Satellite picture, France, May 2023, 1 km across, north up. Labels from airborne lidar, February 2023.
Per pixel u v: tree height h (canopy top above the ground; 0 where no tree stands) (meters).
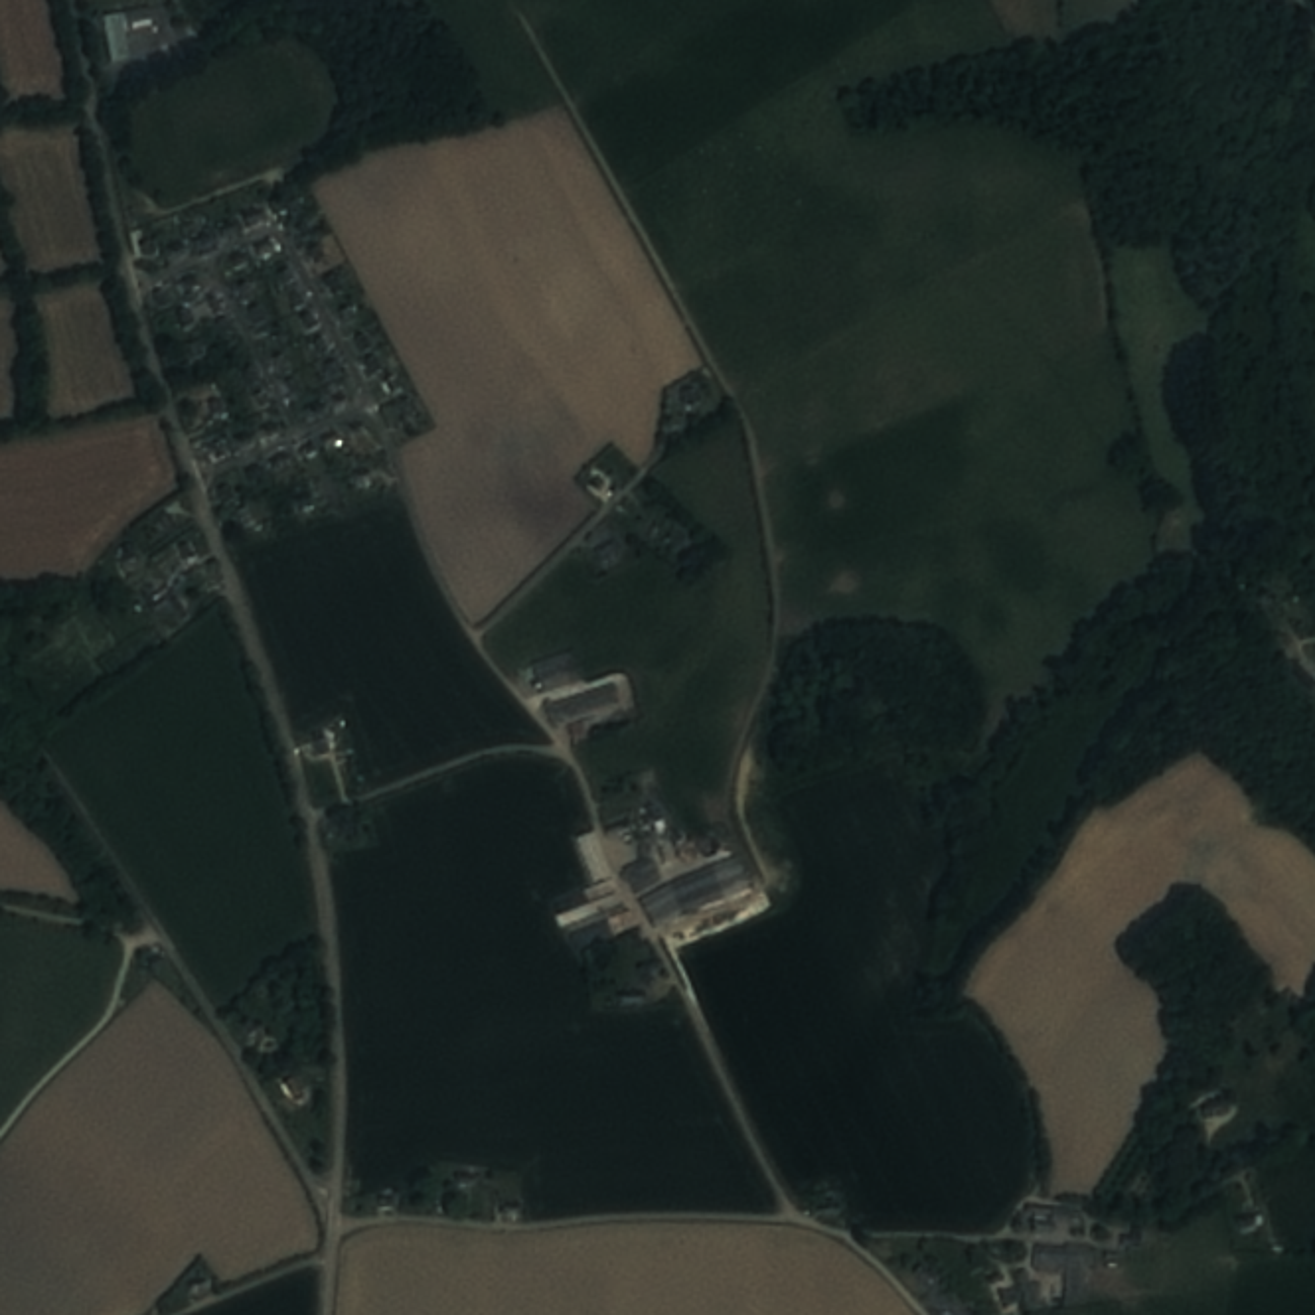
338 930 0
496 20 0
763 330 0
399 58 20
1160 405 0
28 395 17
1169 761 15
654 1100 0
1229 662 12
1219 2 12
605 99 0
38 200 0
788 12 0
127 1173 0
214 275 0
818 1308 0
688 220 0
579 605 0
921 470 0
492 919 0
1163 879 0
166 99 0
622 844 0
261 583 0
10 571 0
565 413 0
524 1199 0
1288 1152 21
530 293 0
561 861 0
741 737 0
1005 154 0
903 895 0
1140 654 11
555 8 0
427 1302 0
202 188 0
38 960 0
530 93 0
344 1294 0
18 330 13
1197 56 13
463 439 0
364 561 0
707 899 0
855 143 0
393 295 0
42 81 0
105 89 7
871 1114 0
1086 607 0
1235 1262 0
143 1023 0
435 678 0
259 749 0
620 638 0
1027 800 0
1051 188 0
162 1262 0
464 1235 0
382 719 0
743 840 0
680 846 0
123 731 0
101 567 6
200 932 0
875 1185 0
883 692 17
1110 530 0
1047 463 0
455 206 0
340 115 14
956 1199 0
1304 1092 0
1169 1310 0
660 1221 0
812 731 20
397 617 0
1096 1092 0
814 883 0
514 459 0
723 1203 0
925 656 21
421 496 0
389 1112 0
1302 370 11
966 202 0
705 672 0
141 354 14
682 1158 0
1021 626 0
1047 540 0
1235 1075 0
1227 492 21
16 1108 0
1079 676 21
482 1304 0
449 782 0
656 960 7
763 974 0
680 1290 0
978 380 0
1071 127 18
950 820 20
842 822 0
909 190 0
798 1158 0
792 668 7
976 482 0
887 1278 0
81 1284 0
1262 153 11
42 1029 0
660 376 0
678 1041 0
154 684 0
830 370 0
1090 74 13
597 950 14
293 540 0
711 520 0
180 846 0
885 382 0
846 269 0
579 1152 0
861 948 0
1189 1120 11
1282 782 18
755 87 0
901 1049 0
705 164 0
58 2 14
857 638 21
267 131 0
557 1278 0
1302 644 0
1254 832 0
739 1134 0
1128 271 0
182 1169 0
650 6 0
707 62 0
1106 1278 0
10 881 0
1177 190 8
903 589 0
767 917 0
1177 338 0
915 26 0
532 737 0
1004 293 0
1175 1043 18
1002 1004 0
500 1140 0
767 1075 0
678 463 0
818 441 0
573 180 0
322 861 0
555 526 0
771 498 0
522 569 0
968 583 0
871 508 0
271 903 0
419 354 0
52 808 11
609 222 0
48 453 0
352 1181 0
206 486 0
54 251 0
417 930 0
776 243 0
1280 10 20
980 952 10
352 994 0
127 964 0
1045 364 0
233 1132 0
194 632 0
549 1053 0
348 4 20
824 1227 0
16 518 0
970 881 17
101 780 0
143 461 0
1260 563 18
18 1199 0
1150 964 23
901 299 0
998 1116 0
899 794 0
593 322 0
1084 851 0
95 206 12
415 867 0
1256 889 0
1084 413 0
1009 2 0
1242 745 16
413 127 18
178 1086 0
